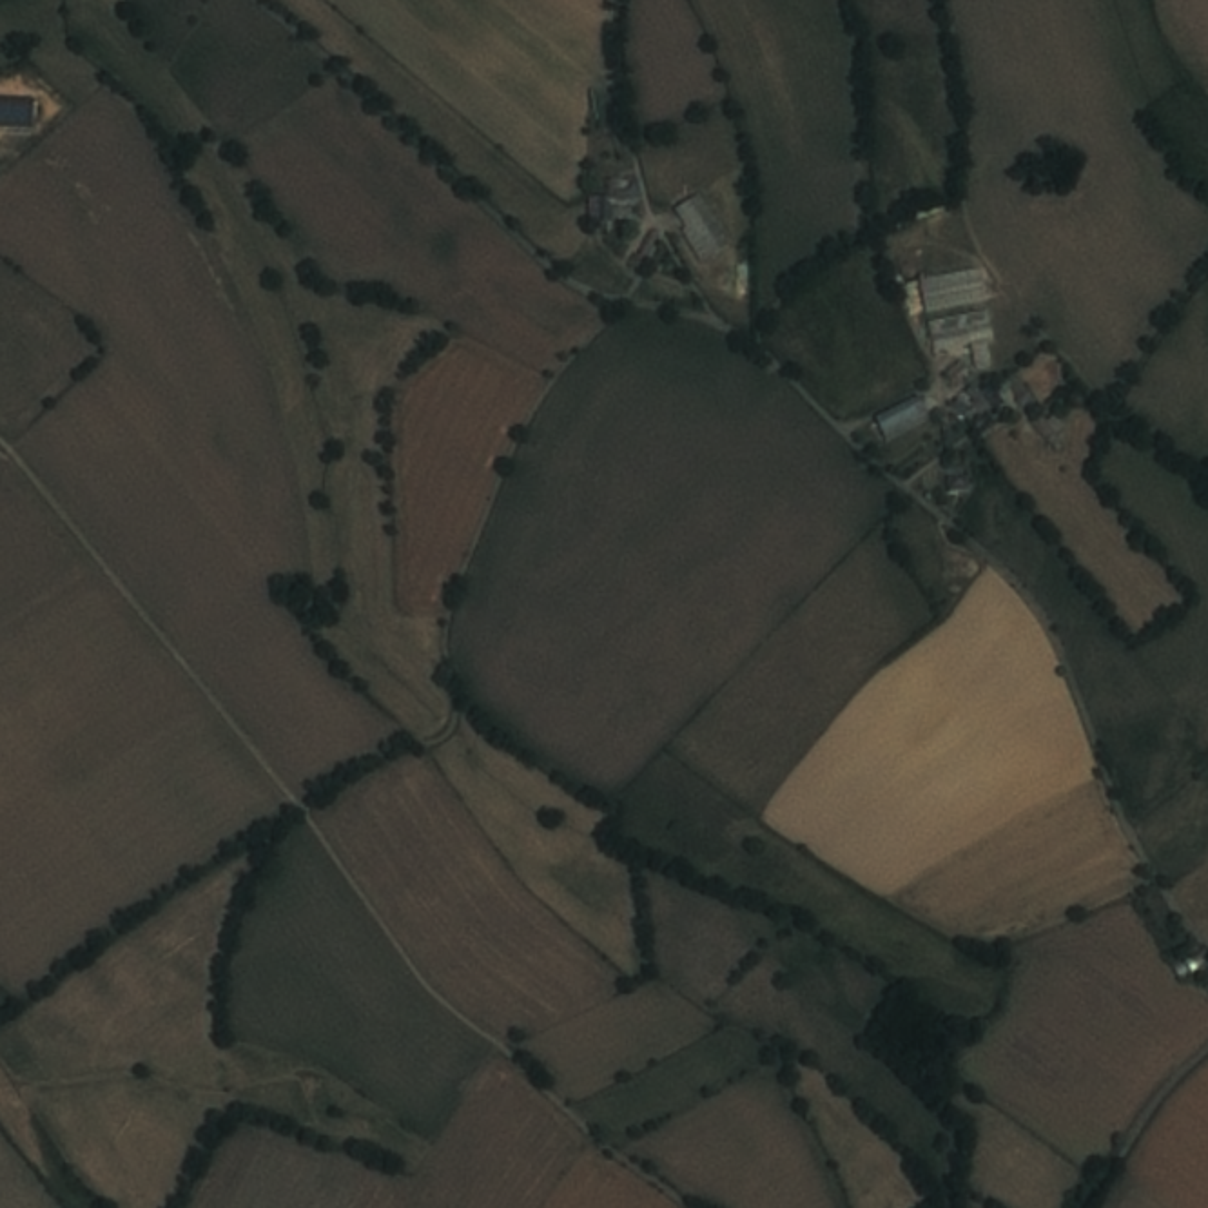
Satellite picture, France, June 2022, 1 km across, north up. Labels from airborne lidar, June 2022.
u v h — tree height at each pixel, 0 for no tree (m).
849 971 0
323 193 0
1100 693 0
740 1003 0
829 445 0
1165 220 0
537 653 0
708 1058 0
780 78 0
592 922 0
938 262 0
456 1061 0
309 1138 16
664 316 15
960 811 0
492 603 0
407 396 0
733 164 0
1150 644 10
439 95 0
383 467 14
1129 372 15
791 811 0
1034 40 0
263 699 0
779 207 0
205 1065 0
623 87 17
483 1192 0
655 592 0
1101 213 0
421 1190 0
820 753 0
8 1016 16
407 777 0
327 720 0
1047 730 0
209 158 0
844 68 0
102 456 0
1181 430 0
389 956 0
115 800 0
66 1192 0
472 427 0
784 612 0
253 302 0
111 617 0
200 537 0
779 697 0
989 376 9
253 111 0
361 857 0
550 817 18
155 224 0
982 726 0
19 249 0
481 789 0
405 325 0
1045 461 0
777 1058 17
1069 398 11
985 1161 0
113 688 0
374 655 0
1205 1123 0
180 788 0
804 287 15
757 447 0
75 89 0
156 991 0
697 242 0
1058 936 0
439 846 0
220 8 0
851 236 11
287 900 0
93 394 0
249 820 0
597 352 0
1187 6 0
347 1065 0
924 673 0
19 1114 0
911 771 0
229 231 0
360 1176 0
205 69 0
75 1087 0
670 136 17
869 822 0
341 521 0
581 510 0
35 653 0
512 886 0
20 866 0
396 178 0
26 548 0
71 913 0
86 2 0
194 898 0
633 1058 0
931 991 0
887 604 0
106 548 0
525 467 0
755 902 19
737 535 0
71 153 0
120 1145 0
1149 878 15
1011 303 0
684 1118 0
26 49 14
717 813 0
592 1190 0
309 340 15
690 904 0
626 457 0
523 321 0
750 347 15
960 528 9
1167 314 18
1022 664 0
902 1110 0
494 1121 0
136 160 0
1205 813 0
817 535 0
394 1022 0
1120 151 0
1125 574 0
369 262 0
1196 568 0
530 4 0
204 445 0
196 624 0
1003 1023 0
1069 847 0
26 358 0
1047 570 0
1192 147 0
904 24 0
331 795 16
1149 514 0
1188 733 0
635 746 0
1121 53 0
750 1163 0
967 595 0
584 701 0
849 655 0
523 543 0
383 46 0
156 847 0
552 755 0
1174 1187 0
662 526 0
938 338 0
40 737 0
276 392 0
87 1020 0
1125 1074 0
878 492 0
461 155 0
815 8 0
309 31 12
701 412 0
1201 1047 0
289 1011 0
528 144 0
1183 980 6
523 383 0
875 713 0
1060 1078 0
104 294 0
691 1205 13
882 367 0
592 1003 0
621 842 23
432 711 0
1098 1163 18
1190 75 0
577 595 0
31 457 0
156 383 0
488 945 0
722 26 0
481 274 0
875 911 0
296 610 18
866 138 19
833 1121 0
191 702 0
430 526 0
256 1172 0
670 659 0
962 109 19
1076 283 0
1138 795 0
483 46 0
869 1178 0
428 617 0
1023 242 0
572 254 0
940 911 0
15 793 0
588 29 0
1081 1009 0
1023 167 17
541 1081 17
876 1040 11
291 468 0
